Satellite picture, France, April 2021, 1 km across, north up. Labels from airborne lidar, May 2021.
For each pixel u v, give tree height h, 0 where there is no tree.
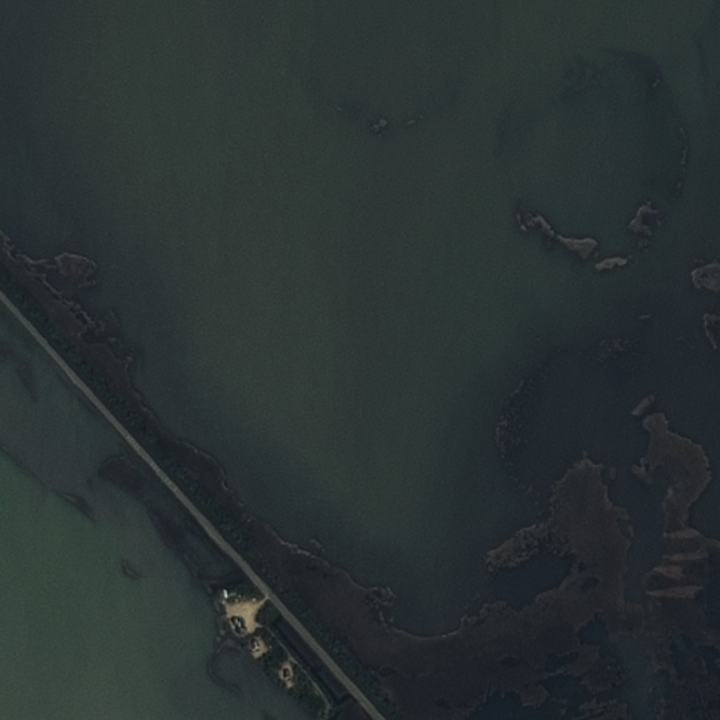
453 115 0
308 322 0
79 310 0
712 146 0
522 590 0
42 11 0
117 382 0
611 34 0
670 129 0
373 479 0
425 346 0
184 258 0
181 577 0
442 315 0
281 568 0
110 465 0
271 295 0
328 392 0
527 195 0
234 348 0
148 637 0
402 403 0
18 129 0
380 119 0
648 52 0
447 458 0
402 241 0
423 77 0
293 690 7
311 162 0
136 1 0
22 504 0
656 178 0
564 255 0
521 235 0
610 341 0
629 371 0
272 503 0
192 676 0
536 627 0
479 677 0
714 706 0
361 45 0
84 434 0
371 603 0
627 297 0
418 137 0
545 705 0
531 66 0
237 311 0
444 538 0
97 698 0
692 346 0
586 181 0
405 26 0
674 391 0
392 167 0
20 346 0
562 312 0
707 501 0
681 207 0
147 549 0
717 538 0
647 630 0
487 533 0
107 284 0
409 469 0
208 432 0
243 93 0
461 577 0
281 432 0
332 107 0
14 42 0
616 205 0
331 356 0
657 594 0
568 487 0
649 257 0
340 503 0
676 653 0
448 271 0
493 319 0
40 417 0
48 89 0
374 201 0
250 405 0
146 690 0
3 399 0
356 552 0
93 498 0
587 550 0
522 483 0
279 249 0
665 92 0
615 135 0
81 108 0
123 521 0
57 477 0
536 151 0
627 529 0
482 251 0
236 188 0
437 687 0
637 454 0
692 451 0
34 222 0
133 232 0
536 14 0
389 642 0
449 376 0
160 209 0
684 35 0
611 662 0
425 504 0
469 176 0
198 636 0
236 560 0
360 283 0
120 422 0
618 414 0
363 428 0
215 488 0
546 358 0
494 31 0
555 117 0
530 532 0
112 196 0
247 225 0
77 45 0
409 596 0
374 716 0
